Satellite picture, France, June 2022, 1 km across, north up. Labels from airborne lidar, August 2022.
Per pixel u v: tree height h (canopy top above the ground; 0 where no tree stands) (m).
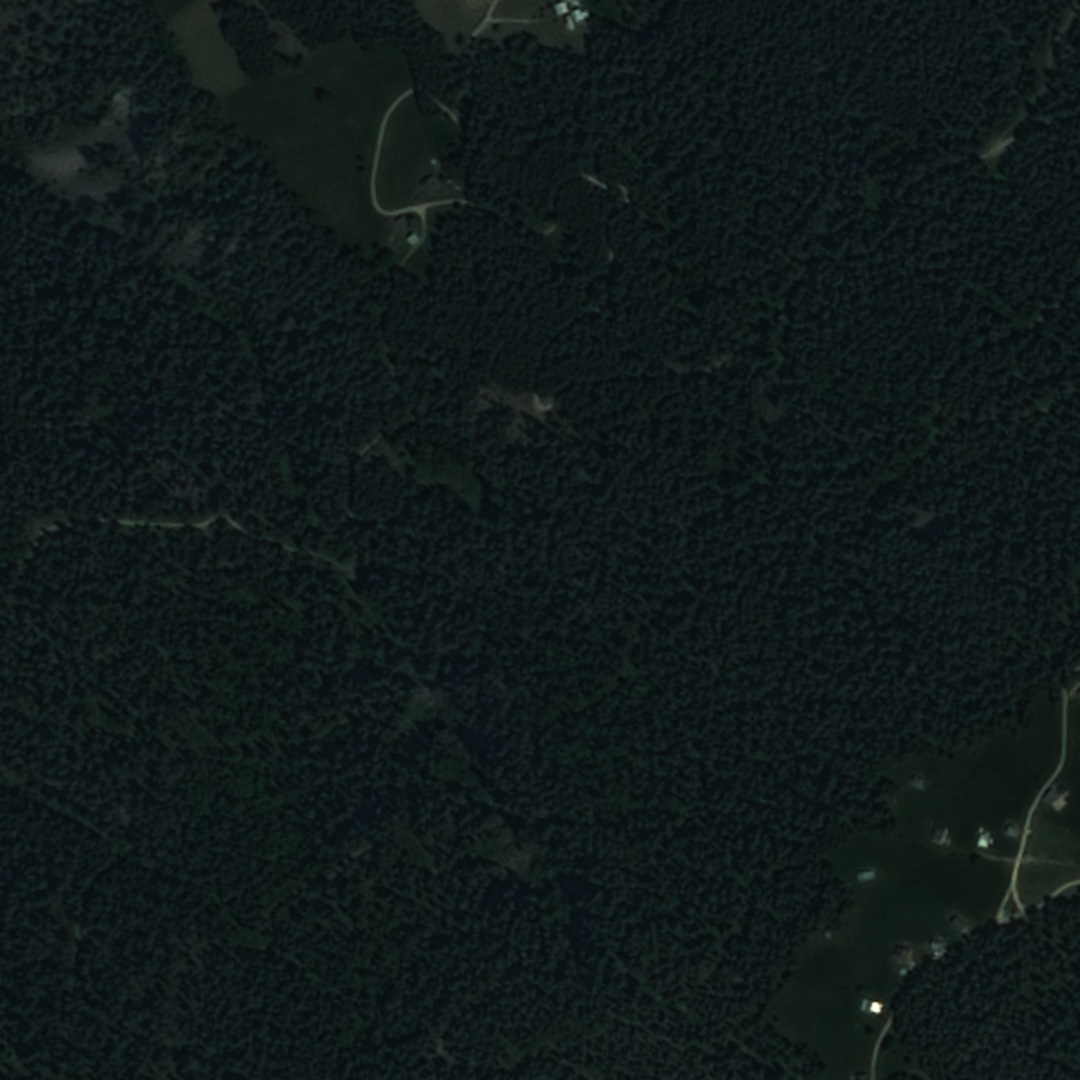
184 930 13
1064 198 21
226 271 23
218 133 26
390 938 6
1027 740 0
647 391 26
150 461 27
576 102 14
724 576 24
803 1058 25
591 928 13
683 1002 22
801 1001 0
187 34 0
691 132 25
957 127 32
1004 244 11
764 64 29
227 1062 14
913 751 18
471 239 17
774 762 9
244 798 6
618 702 8
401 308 22
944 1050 19
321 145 0
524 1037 20
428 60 27
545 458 31
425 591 30
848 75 25
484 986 21
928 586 23
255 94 0
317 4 24
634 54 30
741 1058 19
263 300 31
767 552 24
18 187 32
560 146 23
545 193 20
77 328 29
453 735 17
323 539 36
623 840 26
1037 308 12
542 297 24
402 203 0
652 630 6
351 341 21
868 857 0
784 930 24
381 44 10
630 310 27
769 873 26
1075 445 18
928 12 23
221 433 37
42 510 7
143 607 8
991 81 25
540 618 10
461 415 28
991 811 0
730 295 31
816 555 9
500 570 30
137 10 19
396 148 0
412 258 0
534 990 24
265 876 14
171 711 27
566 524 27
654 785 10
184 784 9
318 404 16
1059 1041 27
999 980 17
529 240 25
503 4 0
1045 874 0
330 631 25
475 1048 22
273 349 33
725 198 28
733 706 10
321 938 12
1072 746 0
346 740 6
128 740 10
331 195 0
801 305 15
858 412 13
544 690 10
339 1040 17
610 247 16
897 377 18
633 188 26
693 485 31
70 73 11
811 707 10
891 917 0
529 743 26
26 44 7
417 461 23
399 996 30
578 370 26
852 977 0
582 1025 20
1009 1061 17
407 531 31
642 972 19
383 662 7
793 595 8
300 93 0
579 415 25
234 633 18
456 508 13
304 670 11
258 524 30
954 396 21
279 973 17
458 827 9
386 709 38
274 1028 10
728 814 8
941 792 0
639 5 32
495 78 28
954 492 21
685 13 20
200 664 9
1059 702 16
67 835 22
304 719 33
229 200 8
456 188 0
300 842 6
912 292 21
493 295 29
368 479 25
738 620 20
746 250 31
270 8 21
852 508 28
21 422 12
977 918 0
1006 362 27
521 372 24
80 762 33
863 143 30
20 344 23
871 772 25
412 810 11
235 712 10
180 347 12
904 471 11
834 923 14
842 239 17
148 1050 26
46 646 13
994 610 20
